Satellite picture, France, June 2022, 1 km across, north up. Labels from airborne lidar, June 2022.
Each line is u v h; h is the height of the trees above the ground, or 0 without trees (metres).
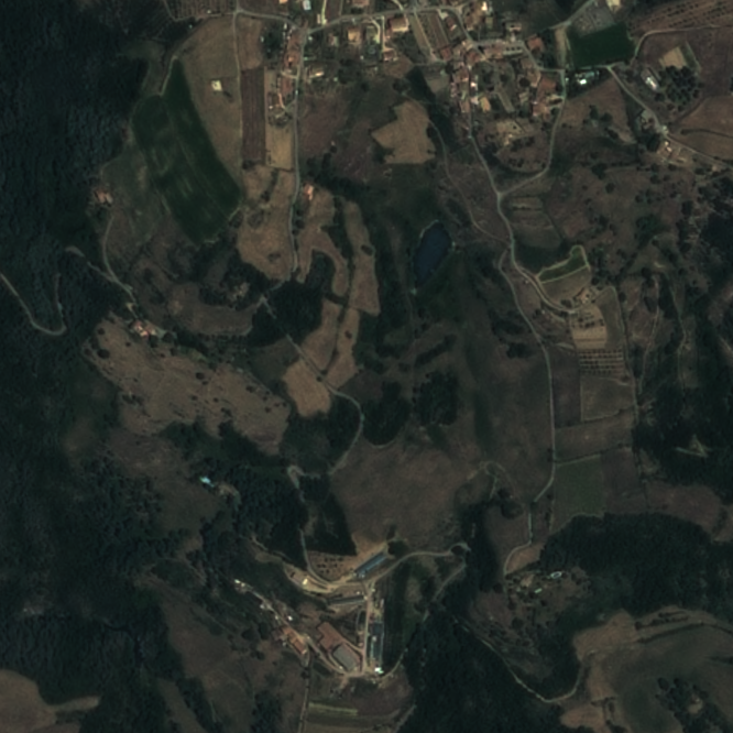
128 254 0
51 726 0
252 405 0
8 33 12
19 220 15
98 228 0
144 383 0
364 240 0
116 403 8
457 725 11
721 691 0
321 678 0
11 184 19
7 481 15
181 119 0
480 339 0
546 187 0
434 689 13
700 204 11
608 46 0
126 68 8
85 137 10
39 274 9
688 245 8
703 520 0
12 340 13
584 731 12
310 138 0
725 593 7
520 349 9
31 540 10
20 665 11
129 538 20
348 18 0
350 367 0
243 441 11
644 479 9
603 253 8
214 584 16
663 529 7
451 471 0
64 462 7
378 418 8
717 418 9
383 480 0
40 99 14
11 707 0
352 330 0
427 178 0
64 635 17
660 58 0
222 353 9
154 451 0
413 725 11
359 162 0
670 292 8
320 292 16
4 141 14
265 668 0
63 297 9
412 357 0
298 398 0
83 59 8
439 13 0
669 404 9
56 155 19
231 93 0
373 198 0
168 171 0
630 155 0
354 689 0
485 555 12
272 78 0
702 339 7
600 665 0
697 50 0
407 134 0
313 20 0
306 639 0
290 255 0
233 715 0
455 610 13
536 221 0
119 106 5
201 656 0
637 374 12
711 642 0
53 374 8
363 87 7
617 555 9
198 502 0
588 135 0
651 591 18
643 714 0
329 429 7
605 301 0
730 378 19
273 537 11
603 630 0
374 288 0
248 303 11
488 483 0
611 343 0
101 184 9
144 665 6
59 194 12
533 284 0
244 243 0
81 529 15
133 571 18
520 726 7
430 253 0
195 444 11
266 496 24
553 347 0
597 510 0
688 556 12
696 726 8
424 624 10
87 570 13
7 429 15
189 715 0
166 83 0
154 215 0
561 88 11
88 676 7
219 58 0
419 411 8
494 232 0
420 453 0
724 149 0
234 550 8
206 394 0
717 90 0
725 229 5
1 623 17
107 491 11
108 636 16
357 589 0
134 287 0
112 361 0
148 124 0
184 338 15
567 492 0
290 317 10
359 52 0
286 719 0
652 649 0
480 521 10
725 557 7
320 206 0
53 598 9
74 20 11
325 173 9
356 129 0
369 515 0
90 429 0
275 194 0
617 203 0
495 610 0
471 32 6
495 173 0
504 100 0
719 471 11
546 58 12
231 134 0
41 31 13
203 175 0
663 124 0
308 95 0
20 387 8
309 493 10
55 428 9
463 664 9
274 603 0
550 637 11
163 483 0
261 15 0
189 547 0
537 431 0
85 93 7
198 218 0
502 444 0
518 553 0
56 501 8
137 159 0
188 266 0
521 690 12
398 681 0
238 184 0
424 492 0
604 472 0
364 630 0
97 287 9
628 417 0
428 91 6
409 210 0
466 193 0
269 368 0
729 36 0
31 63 17
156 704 14
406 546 0
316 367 0
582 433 0
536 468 0
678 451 7
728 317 8
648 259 0
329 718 0
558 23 0
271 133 0
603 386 0
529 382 0
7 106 8
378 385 0
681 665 0
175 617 0
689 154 0
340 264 0
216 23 0
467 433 0
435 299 0
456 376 7
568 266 0
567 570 11
